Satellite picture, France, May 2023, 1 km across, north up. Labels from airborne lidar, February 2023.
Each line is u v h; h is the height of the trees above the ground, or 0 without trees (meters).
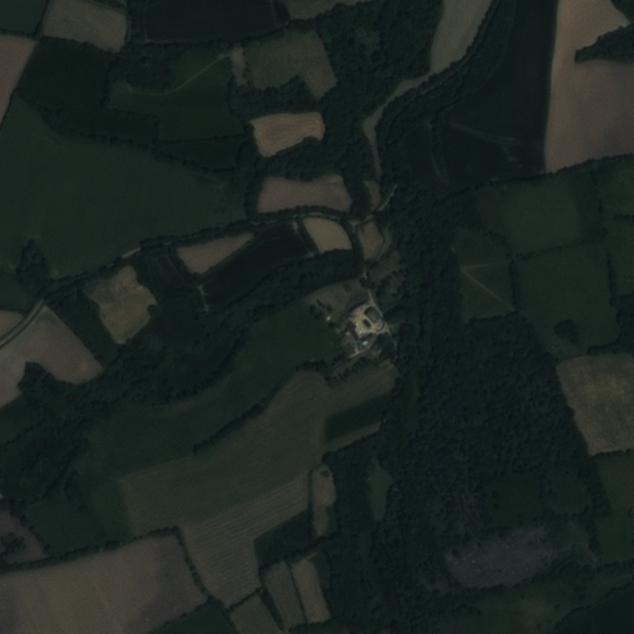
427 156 0
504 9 18
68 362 0
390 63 21
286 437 0
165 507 0
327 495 0
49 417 11
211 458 0
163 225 0
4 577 0
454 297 17
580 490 0
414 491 23
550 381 9
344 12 24
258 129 0
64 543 0
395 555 22
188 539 0
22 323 0
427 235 18
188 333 0
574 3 0
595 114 0
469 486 17
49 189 0
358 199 17
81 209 0
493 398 14
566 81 0
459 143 0
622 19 0
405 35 17
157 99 0
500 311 0
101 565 0
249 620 0
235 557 0
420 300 14
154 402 8
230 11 0
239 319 9
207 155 0
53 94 0
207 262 0
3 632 0
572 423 13
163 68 16
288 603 0
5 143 0
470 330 16
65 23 0
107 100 10
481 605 0
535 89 0
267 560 0
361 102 23
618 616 0
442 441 32
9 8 0
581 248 0
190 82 0
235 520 0
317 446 0
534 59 0
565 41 0
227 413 0
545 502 9
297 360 0
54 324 0
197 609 8
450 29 0
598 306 0
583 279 0
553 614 0
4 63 0
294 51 0
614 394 0
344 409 0
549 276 0
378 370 0
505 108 0
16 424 0
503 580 0
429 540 16
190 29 0
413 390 0
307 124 0
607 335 0
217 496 0
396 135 10
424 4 17
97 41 0
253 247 0
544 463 14
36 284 14
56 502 0
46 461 6
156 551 0
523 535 0
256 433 0
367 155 10
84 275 8
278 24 0
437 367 22
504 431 15
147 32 0
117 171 0
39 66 0
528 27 0
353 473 18
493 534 18
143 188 0
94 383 8
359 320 0
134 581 0
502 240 9
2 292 0
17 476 0
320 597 0
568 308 0
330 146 15
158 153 10
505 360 13
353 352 0
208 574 0
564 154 0
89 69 0
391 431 18
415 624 13
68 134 13
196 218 0
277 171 23
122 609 0
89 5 0
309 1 0
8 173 0
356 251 14
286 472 0
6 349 0
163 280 0
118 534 0
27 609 0
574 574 12
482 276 0
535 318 0
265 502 0
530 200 0
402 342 13
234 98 11
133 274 0
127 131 0
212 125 0
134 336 0
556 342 0
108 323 0
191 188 0
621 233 0
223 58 0
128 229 0
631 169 0
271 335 0
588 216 0
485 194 0
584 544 0
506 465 12
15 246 0
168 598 0
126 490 0
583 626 0
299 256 0
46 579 0
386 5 20
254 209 12
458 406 26
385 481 0
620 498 0
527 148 0
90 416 19
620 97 0
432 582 11
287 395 0
